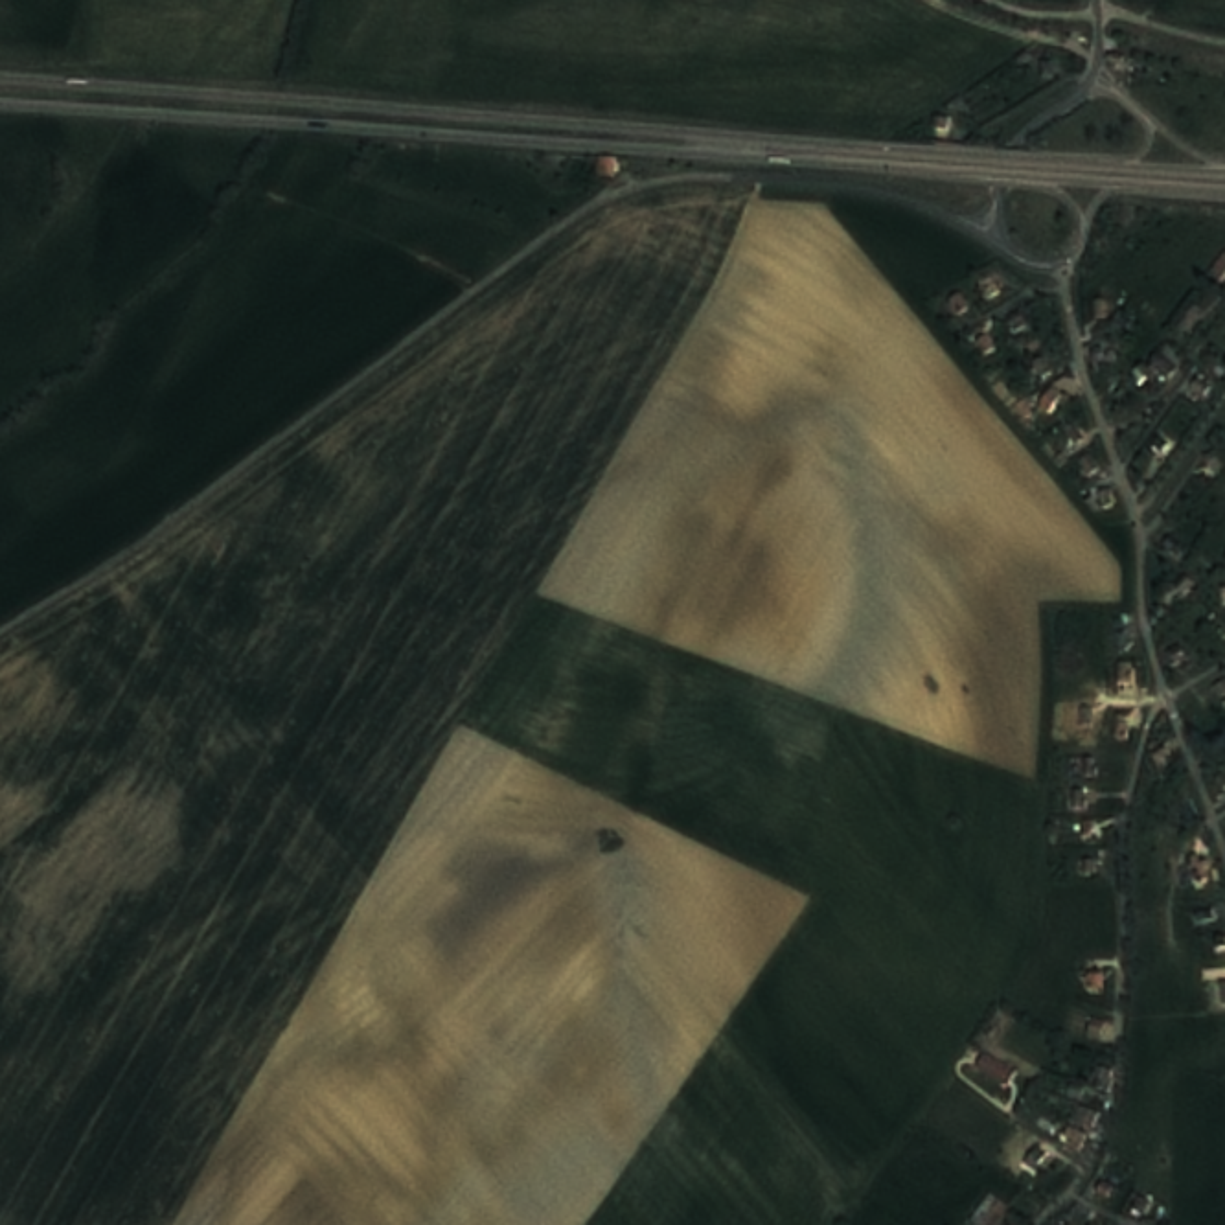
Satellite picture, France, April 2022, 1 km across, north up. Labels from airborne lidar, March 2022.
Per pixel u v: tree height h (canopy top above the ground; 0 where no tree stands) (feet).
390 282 0
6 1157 0
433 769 0
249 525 0
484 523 0
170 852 0
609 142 0
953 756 0
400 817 0
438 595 0
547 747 0
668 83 0
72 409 0
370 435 0
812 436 0
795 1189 0
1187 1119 0
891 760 0
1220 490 0
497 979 0
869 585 0
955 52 0
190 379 0
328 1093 0
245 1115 0
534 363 0
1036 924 0
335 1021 0
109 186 0
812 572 0
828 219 0
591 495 0
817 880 0
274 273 0
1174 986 0
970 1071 0
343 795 0
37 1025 0
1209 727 0
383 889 0
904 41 0
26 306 0
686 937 0
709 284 0
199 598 0
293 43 34
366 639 0
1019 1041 0
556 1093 0
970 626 0
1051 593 0
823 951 0
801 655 0
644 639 0
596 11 0
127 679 0
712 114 0
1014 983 0
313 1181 0
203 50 0
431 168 0
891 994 0
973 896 0
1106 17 0
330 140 0
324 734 0
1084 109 18
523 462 0
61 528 0
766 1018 0
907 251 0
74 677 0
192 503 0
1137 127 65
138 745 0
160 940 0
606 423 0
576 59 0
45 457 0
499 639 0
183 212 0
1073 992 0
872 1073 0
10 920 0
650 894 0
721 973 0
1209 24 0
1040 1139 0
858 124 0
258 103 0
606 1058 0
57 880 0
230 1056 0
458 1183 0
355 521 0
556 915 0
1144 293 0
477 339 0
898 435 0
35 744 0
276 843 0
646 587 0
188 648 0
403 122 0
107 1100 0
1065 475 0
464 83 0
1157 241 0
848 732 0
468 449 0
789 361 0
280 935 0
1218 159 0
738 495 0
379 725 0
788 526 0
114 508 0
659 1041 0
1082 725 0
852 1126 0
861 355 0
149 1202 0
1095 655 0
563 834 0
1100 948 0
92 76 0
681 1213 0
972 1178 0
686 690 0
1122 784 0
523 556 0
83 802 0
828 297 0
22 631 0
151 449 0
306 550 0
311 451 0
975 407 0
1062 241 0
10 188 0
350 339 0
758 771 0
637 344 0
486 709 0
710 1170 0
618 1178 0
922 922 0
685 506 0
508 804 0
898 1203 0
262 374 0
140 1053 0
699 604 0
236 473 0
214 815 0
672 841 0
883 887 0
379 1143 0
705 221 0
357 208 0
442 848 0
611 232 0
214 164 0
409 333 0
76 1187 0
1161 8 0
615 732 0
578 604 0
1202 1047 0
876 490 0
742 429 0
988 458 0
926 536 0
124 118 0
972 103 24
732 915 0
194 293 0
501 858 0
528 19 0
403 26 0
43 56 0
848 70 0
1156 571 0
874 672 0
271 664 0
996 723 0
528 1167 0
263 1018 0
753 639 0
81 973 0
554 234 0
